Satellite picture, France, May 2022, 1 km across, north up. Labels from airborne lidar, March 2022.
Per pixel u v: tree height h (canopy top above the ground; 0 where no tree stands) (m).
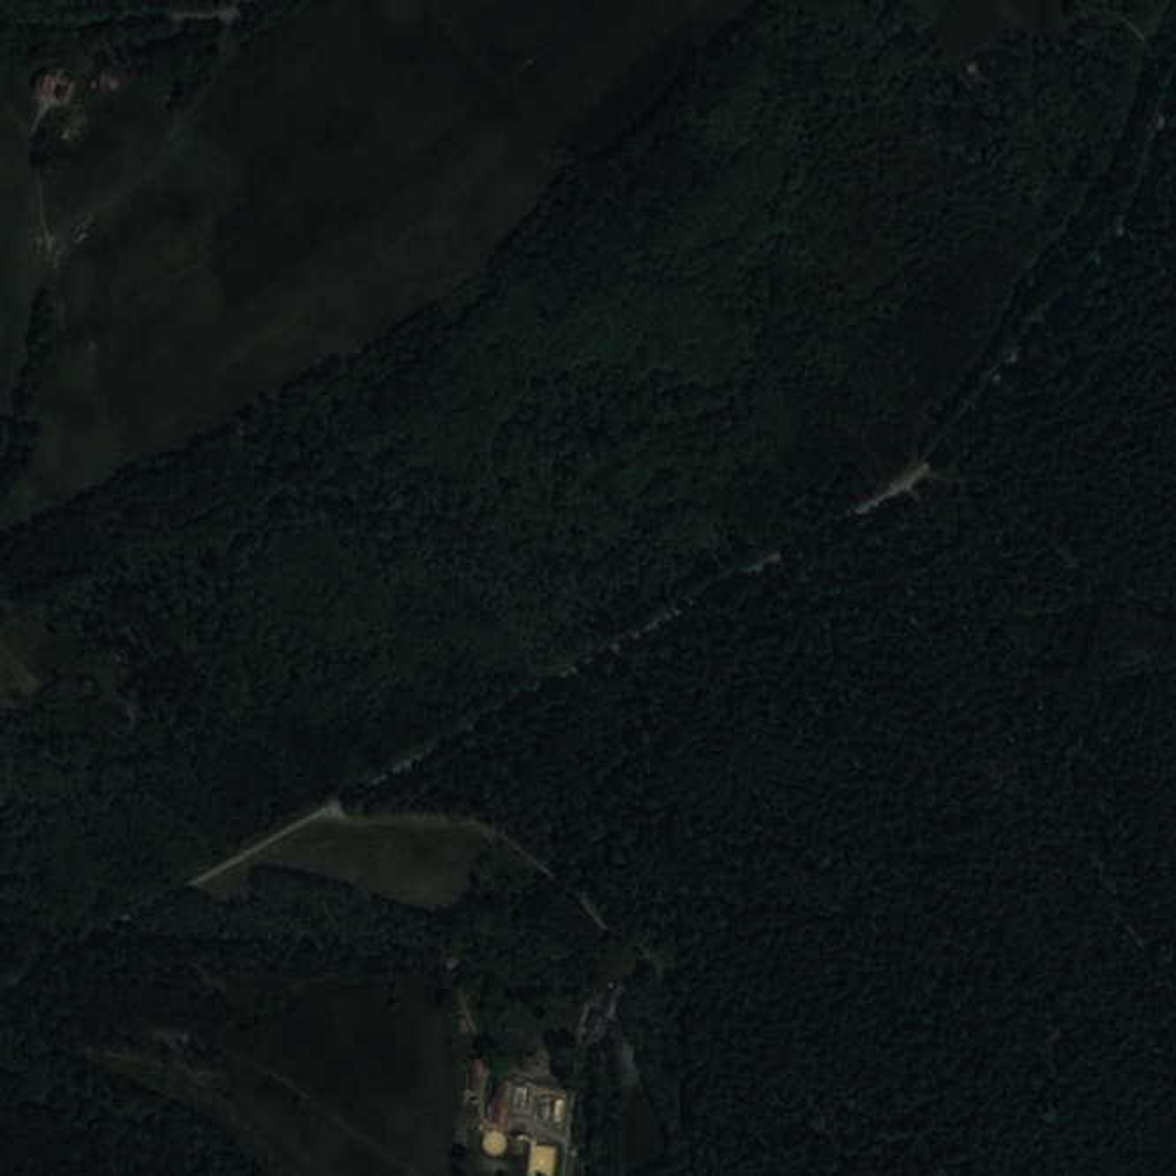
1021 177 24
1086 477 30
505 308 19
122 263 0
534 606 22
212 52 21
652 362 17
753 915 36
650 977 21
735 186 18
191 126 0
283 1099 0
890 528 27
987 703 32
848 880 27
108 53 11
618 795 28
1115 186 25
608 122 0
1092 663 35
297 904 20
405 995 0
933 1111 30
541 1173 0
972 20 0
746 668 29
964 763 32
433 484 18
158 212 0
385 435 19
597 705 31
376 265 0
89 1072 19
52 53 20
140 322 0
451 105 0
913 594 31
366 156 0
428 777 29
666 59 0
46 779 26
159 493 24
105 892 18
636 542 26
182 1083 0
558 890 31
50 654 0
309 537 20
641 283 17
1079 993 29
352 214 0
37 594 26
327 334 0
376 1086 0
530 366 16
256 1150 0
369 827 0
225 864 0
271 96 0
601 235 20
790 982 32
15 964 23
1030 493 24
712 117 24
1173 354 11
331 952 20
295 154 0
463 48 0
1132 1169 24
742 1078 31
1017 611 21
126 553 24
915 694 33
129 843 20
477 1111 0
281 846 0
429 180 0
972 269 8
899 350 6
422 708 19
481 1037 0
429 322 15
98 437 0
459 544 21
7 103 0
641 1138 0
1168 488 30
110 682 0
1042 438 32
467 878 0
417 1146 0
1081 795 34
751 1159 26
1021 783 33
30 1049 26
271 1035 0
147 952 24
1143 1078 31
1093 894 34
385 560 19
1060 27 0
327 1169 0
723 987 28
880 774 36
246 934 23
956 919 29
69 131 0
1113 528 23
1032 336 0
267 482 20
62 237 0
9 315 0
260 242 0
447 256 0
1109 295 32
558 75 0
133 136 0
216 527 17
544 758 31
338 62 0
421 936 26
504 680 34
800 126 13
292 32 0
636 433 25
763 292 19
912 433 0
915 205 0
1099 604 30
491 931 21
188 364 0
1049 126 15
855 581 31
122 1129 9
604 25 0
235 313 0
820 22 16
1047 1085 19
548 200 8
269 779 20
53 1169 16
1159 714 29
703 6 0
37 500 0
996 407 26
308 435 22
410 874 0
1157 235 28
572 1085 20
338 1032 0
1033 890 30
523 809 26
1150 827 30
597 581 24
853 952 31
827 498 29
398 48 0
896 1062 38
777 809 32
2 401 0
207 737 24
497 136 0
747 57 20
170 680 25
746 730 27
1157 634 34
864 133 0
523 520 8
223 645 12
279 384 0
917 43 25
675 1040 19
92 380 0
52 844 21
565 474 19
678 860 27
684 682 26
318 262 0
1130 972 38
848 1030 32
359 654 18
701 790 29
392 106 0
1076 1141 26
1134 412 28
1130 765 34
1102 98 25
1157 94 25
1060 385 28
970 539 15
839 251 0
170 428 0
